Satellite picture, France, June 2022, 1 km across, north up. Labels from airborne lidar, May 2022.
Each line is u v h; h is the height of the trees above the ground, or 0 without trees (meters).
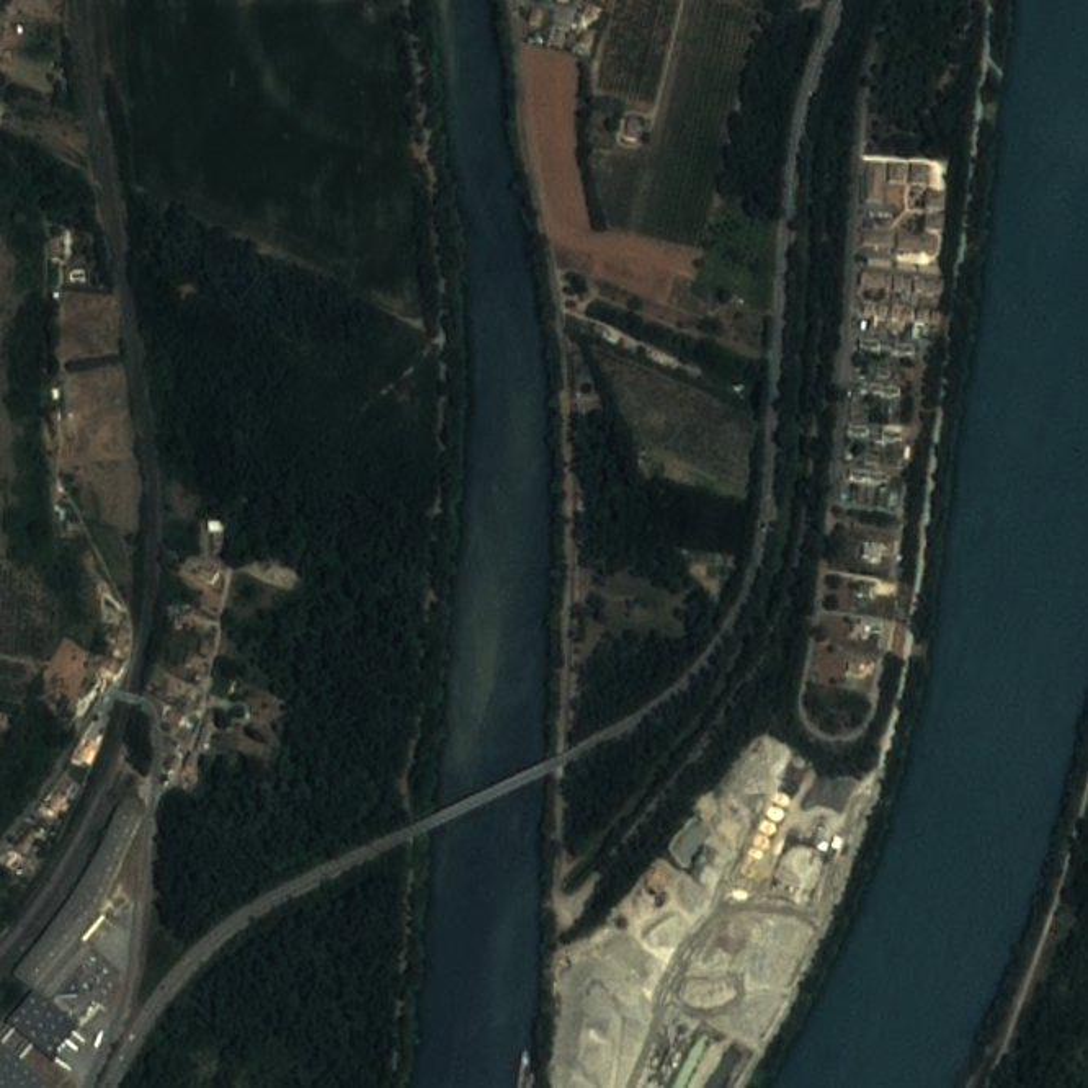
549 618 15
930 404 9
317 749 21
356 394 10
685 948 0
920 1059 0
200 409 16
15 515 6
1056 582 0
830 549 13
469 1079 0
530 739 0
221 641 0
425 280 12
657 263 0
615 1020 0
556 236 0
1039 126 0
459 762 0
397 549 14
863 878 12
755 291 0
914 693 15
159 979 0
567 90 0
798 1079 0
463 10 0
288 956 28
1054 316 0
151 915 0
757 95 13
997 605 0
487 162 0
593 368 9
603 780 21
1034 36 0
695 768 12
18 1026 0
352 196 0
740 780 0
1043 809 0
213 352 14
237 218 0
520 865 0
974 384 0
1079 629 0
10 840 9
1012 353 0
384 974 28
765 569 12
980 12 10
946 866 0
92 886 0
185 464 12
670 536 14
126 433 0
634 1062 0
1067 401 0
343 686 32
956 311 11
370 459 17
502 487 0
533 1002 0
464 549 0
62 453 0
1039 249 0
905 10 11
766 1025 0
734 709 12
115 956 0
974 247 8
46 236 6
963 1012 0
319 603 13
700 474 0
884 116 12
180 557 7
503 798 0
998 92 15
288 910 10
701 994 0
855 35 19
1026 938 12
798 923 0
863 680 0
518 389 0
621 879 16
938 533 16
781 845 0
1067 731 0
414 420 9
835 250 7
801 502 9
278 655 24
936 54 14
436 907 0
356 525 32
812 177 7
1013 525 0
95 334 0
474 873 0
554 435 10
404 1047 15
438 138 9
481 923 0
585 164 8
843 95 13
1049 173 0
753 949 0
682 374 10
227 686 7
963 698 0
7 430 0
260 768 26
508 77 14
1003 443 0
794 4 12
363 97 0
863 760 6
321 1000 27
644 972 0
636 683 18
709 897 0
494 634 0
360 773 9
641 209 0
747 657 16
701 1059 0
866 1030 0
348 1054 9
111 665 0
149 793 0
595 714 14
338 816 27
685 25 0
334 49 0
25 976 0
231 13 0
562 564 7
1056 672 0
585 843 13
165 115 0
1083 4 0
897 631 0
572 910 0
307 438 13
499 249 0
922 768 0
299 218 0
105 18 0
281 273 19
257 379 12
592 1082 0
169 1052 7
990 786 0
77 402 0
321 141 0
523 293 0
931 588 12
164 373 15
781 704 17
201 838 26
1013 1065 13
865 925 0
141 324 10
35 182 8
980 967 0
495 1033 0
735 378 11
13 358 8
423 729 8
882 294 5
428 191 6
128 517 0
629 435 11
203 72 0
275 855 28
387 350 8
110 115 7
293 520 28
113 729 6
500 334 0
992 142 13
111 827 0
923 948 0
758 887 0
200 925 22
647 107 0
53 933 0
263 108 0
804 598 28
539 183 0
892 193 0
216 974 20
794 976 0
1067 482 0
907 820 0
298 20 0
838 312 14
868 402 14
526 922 0
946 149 19
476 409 0
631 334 10
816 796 0
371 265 0
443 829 0
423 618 26
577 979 0
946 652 0
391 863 8
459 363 14
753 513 17
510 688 0
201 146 0
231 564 22
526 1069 0
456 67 0
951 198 9
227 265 16
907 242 0
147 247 13
